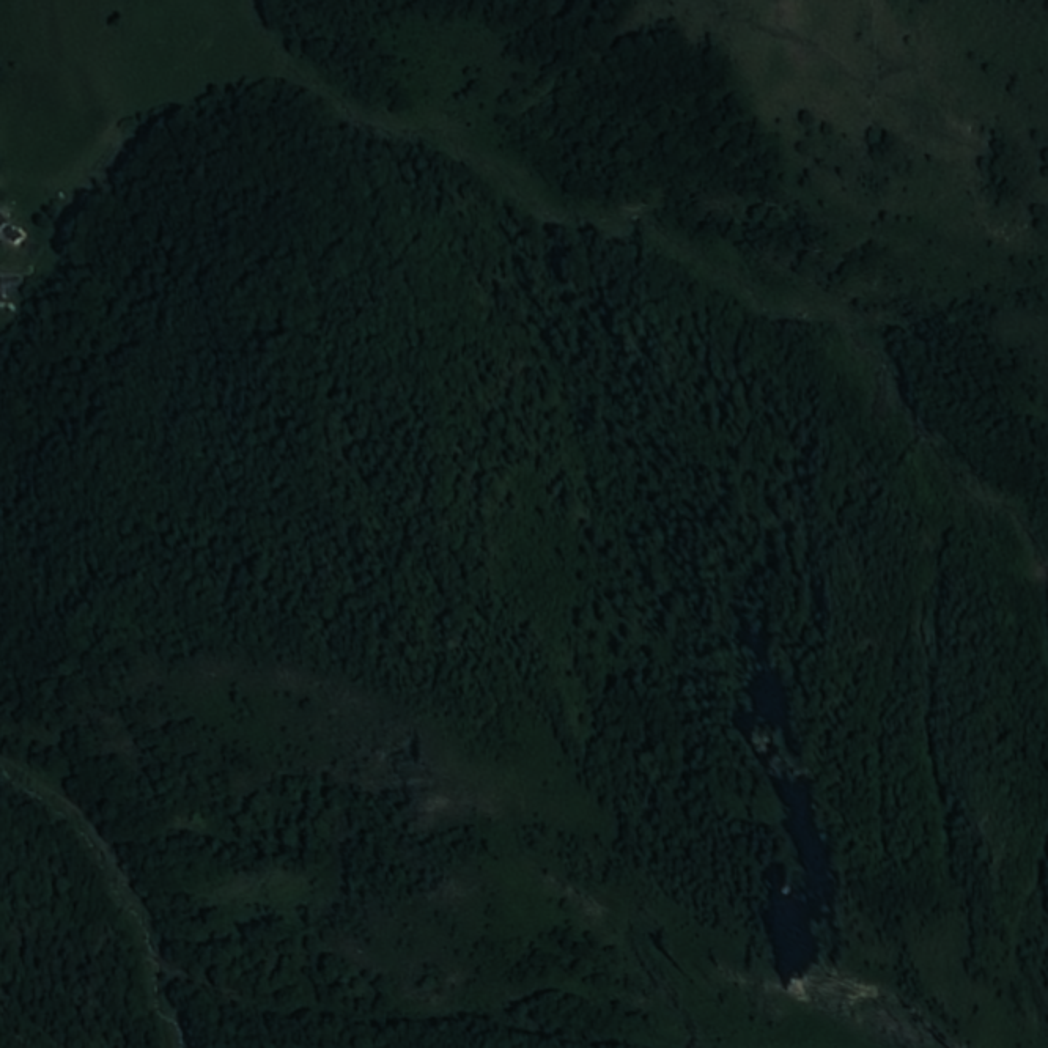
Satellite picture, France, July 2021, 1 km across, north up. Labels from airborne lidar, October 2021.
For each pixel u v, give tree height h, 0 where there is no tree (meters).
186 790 14
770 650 11
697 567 15
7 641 22
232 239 23
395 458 11
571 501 29
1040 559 0
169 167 21
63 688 15
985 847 10
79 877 27
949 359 10
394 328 24
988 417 13
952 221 0
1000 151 11
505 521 7
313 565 14
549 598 7
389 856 12
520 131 7
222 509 20
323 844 10
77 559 28
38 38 0
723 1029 0
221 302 23
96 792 15
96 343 12
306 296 32
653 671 27
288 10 17
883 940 7
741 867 9
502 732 16
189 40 0
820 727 17
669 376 6
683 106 11
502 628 7
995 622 20
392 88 6
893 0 0
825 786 14
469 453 20
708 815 19
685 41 17
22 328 11
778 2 0
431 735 0
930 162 7
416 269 22
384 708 0
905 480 16
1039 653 21
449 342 24
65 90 0
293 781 17
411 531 20
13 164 0
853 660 15
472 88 16
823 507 20
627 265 26
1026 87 0
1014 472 14
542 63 7
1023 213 0
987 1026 0
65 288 18
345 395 27
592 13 20
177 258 26
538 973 8
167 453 24
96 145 0
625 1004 8
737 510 30
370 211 17
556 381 29
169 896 14
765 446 11
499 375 23
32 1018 16
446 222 23
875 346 0
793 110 0
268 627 18
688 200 11
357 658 13
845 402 17
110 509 28
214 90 17
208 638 16
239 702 11
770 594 22
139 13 0
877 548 18
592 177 23
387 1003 20
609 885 9
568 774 0
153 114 7
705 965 0
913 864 18
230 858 19
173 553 25
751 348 28
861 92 0
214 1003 15
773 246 7
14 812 28
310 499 7
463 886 0
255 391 25
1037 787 9
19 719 15
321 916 11
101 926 25
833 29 0
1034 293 6
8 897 17
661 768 13
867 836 20
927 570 8
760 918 11
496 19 9
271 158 19
